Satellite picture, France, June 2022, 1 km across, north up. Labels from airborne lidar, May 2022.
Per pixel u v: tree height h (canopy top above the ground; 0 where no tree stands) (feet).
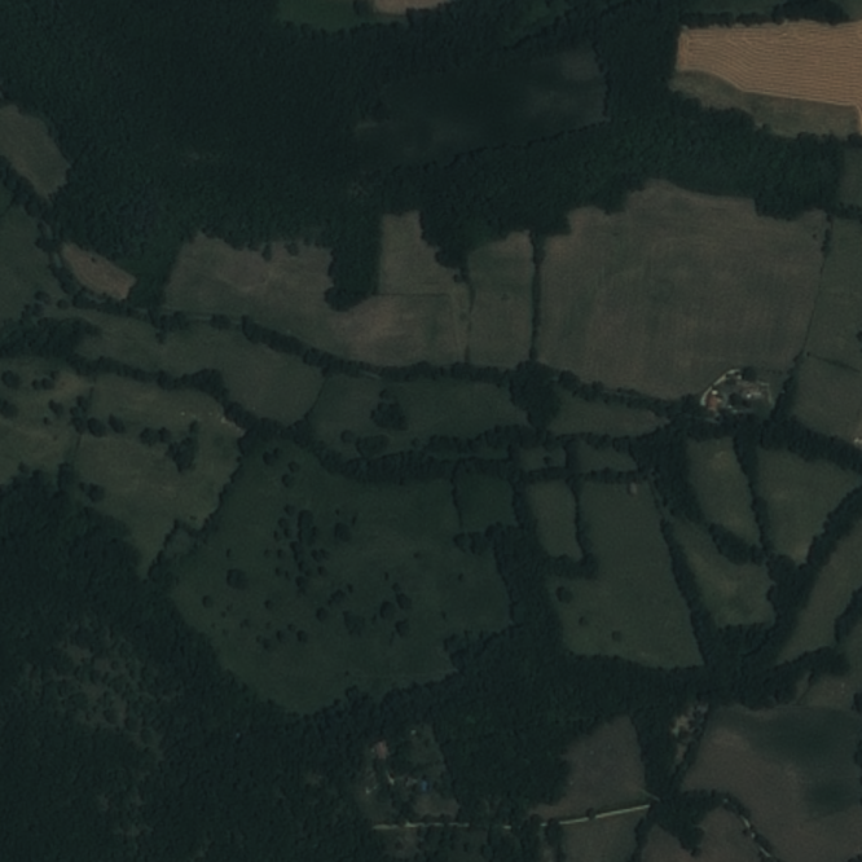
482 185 66
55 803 38
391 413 47
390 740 30
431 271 0
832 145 47
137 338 0
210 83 51
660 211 0
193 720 28
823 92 0
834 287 0
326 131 41
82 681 20
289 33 65
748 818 36
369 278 48
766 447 54
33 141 0
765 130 30
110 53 32
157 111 41
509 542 79
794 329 0
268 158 38
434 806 0
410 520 0
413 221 0
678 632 0
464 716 52
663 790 36
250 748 50
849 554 0
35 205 49
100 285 0
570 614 0
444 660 0
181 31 37
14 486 27
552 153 53
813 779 0
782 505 0
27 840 49
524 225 53
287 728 46
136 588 62
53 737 36
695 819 39
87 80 36
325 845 39
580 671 71
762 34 0
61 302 28
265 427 62
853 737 0
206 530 32
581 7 56
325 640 0
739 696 23
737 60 0
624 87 54
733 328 0
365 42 74
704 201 0
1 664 39
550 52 45
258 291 0
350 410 0
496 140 0
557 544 0
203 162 26
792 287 0
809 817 0
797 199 42
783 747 0
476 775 53
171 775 36
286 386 0
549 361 0
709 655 64
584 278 0
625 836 0
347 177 42
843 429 0
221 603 0
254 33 57
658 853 0
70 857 42
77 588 68
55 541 65
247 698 58
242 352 0
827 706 0
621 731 0
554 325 0
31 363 0
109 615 45
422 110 0
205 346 0
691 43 0
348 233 49
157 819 40
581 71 0
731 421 57
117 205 27
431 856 31
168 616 45
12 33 43
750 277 0
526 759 61
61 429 0
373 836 48
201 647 64
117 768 31
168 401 0
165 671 19
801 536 0
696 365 0
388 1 0
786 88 0
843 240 0
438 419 0
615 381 0
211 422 0
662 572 0
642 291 0
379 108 50
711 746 0
